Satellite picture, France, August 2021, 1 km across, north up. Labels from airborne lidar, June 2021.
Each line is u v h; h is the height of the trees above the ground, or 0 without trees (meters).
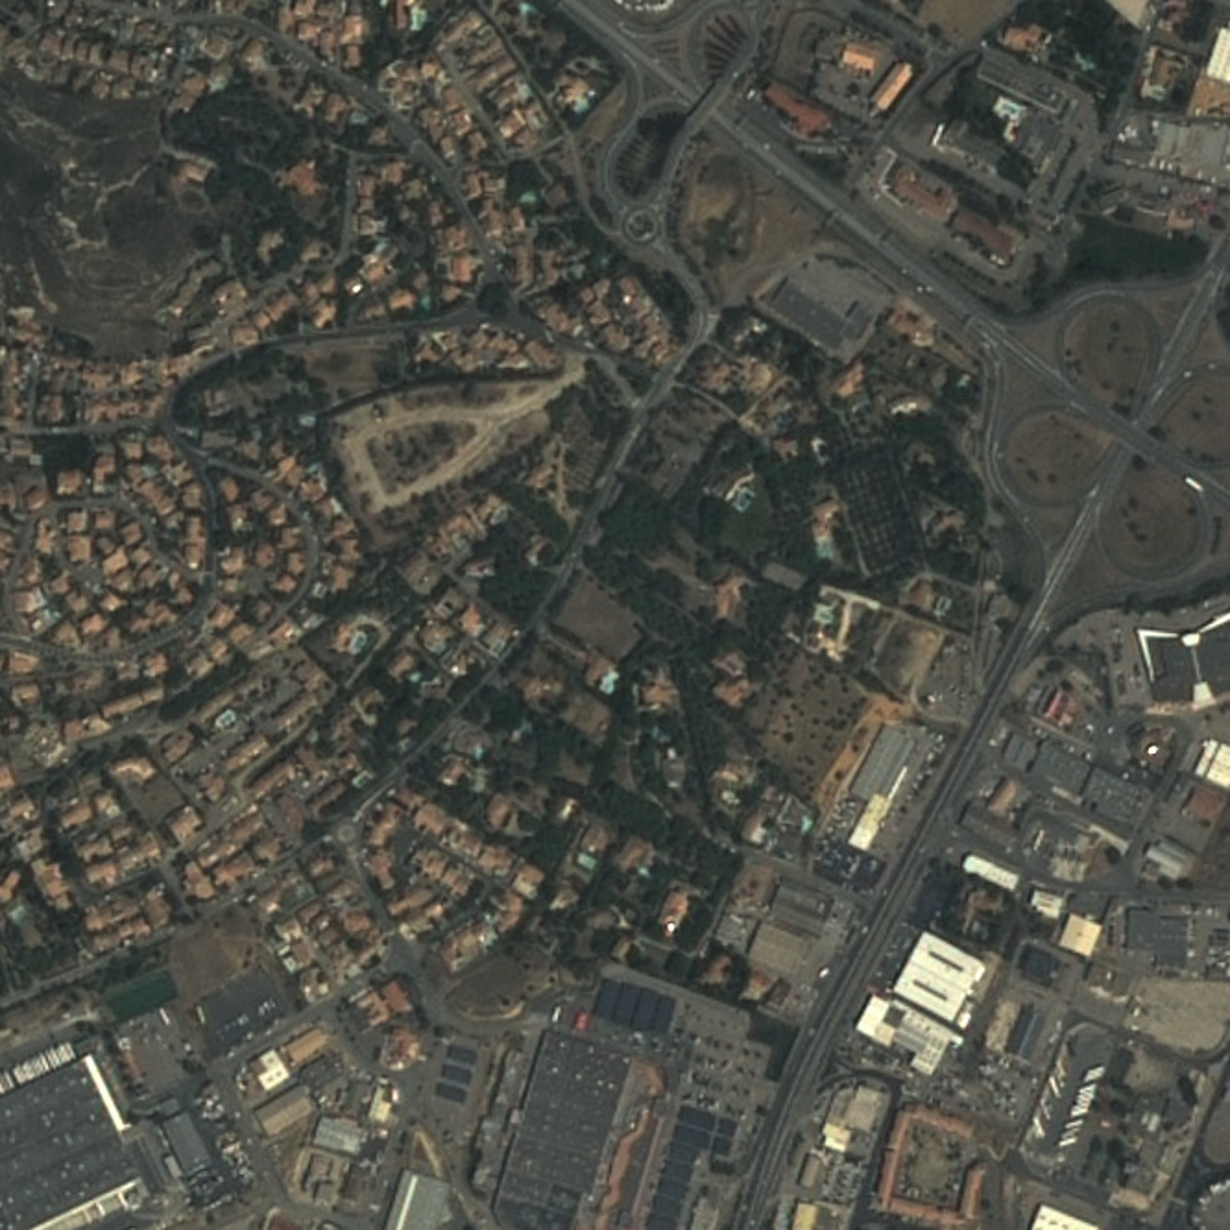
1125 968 0
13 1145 0
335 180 7
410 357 7
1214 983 0
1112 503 0
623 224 0
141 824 7
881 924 0
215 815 0
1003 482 0
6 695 7
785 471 10
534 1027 0
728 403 8
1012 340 0
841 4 0
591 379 8
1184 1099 8
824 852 0
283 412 7
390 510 8
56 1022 0
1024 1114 0
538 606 12
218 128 6
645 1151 0
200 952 0
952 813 0
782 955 0
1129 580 0
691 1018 0
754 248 0
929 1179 0
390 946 0
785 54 0
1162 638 0
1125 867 0
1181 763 0
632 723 13
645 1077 0
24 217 0
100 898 0
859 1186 0
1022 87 0
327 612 9
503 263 5
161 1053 0
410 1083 0
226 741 0
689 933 11
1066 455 0
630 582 12
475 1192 0
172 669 6
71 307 0
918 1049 0
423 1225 0
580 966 9
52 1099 0
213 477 8
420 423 0
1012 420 0
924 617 7
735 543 0
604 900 10
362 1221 0
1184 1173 0
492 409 0
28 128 0
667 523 12
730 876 10
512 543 12
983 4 0
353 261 10
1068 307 0
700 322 0
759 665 12
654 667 8
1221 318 7
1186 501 0
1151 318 0
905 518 10
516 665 12
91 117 0
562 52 5
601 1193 0
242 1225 0
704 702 10
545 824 8
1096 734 0
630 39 0
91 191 0
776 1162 0
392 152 6
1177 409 0
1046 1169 0
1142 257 0
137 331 0
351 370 0
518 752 0
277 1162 0
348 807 13
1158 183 0
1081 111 0
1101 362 0
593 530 0
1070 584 0
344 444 0
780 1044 0
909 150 0
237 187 9
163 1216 0
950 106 9
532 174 12
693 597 0
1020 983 0
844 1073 0
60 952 7
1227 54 0
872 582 9
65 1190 0
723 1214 0
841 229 0
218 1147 0
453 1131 0
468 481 8
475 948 0
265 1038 0
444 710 11
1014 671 0
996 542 0
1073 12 5
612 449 6
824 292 0
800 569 8
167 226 0
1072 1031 0
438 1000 0
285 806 0
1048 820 0
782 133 0
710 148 0
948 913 6
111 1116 0
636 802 14
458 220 7
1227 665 0
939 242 0
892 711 0
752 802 8
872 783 0
